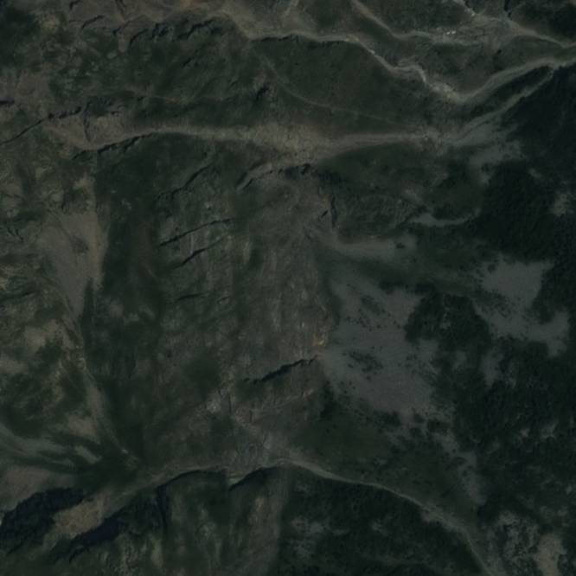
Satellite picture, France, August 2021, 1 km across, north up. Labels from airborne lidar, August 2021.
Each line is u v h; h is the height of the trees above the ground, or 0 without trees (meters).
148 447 0
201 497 0
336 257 0
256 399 0
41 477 0
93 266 0
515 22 0
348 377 0
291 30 0
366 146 0
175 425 0
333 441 0
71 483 0
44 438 0
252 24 0
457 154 0
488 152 0
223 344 0
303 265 0
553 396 14
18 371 0
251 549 0
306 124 0
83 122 0
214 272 0
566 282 10
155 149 0
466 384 7
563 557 13
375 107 0
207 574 0
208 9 0
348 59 0
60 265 0
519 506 12
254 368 0
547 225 12
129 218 0
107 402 0
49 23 0
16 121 0
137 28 0
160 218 0
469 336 10
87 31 0
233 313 0
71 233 0
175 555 0
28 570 0
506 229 7
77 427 0
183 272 0
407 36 0
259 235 0
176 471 0
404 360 0
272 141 0
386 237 0
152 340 0
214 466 0
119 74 0
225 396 0
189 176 0
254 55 0
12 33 0
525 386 16
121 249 0
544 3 8
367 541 9
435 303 11
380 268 0
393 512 11
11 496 0
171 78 0
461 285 0
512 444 12
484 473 8
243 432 0
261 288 0
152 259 0
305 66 0
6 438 0
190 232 0
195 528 0
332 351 0
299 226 0
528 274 0
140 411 0
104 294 0
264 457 0
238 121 0
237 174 0
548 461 9
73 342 0
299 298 0
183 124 0
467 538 0
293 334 0
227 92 0
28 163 0
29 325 0
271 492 0
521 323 0
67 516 0
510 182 14
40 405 0
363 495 11
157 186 0
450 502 0
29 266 0
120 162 0
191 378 0
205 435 0
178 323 0
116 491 0
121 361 0
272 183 0
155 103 0
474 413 11
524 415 8
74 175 0
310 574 13
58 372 0
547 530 15
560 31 7
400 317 0
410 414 0
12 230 0
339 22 0
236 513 0
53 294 0
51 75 0
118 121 0
